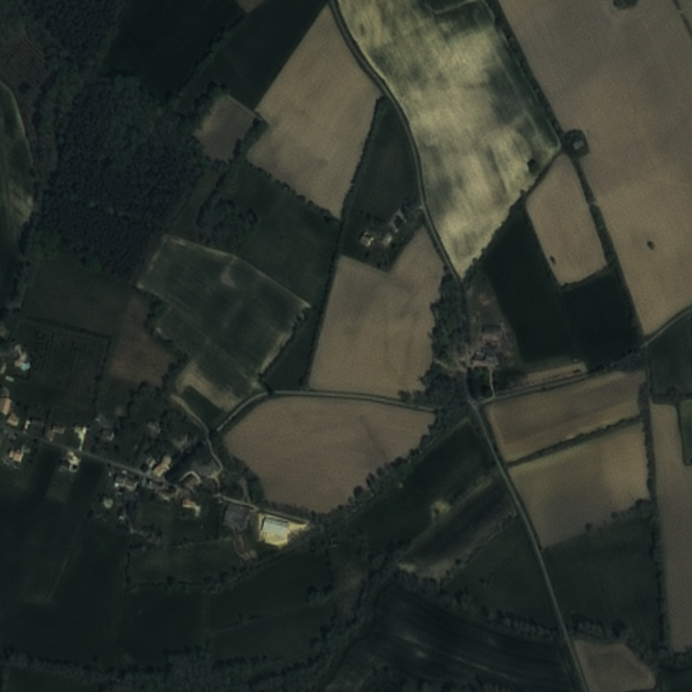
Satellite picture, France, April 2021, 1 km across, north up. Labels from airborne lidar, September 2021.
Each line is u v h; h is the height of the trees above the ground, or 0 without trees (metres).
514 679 0
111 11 20
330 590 9
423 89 0
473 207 0
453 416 14
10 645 0
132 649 0
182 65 0
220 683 21
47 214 21
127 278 19
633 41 0
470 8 0
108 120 19
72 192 18
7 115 0
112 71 0
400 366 0
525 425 0
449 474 0
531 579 0
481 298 0
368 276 0
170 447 13
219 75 0
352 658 0
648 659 27
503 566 0
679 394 14
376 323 0
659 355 0
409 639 0
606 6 0
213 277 0
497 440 10
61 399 0
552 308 0
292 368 0
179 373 17
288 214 0
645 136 0
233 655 0
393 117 0
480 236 0
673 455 0
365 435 0
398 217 0
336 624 14
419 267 0
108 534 0
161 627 0
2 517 0
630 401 0
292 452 0
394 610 0
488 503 0
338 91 0
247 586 0
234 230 16
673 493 0
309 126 0
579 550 0
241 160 17
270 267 0
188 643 0
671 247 0
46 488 0
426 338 0
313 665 15
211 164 17
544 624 0
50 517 0
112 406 0
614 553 0
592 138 0
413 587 17
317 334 9
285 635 0
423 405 17
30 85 6
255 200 0
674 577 0
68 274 0
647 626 0
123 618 0
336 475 0
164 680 17
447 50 0
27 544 0
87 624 0
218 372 0
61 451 0
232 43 0
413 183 0
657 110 0
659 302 0
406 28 0
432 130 0
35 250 24
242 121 0
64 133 24
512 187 0
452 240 0
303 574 0
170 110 16
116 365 0
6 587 0
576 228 0
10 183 0
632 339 0
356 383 0
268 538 0
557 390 0
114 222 21
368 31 0
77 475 0
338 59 0
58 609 0
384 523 0
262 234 0
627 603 0
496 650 0
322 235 0
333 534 17
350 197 8
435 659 0
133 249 20
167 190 18
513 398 0
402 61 0
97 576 0
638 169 0
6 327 17
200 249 0
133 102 23
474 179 0
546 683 0
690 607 0
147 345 0
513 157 0
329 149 0
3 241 0
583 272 0
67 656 0
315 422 0
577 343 0
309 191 0
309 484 0
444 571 0
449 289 16
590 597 0
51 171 14
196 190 15
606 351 0
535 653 0
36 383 0
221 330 0
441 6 20
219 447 17
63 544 0
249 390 0
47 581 0
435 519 0
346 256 0
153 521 0
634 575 0
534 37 0
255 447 0
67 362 0
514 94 0
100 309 0
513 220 0
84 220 20
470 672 0
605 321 0
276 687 17
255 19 0
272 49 0
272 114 0
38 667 30
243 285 0
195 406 0
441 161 0
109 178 19
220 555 0
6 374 0
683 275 0
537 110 0
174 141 14
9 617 0
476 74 0
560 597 0
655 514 13
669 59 0
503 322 0
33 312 0
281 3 0
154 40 0
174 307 0
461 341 10
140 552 13
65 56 15
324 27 0
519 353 0
